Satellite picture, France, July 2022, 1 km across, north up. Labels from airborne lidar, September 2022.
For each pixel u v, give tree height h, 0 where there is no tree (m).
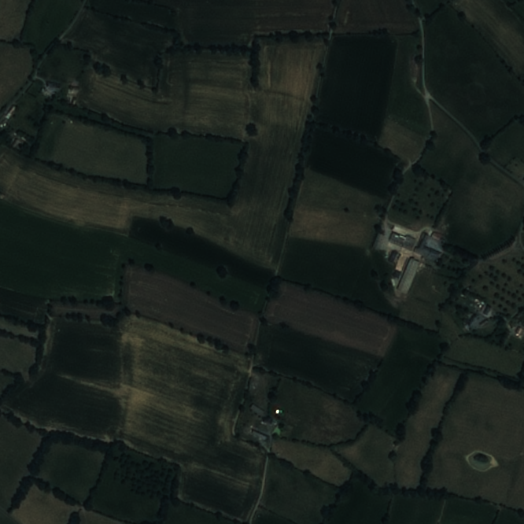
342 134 7
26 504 0
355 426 0
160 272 0
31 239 0
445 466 0
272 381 0
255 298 0
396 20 0
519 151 0
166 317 0
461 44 0
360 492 0
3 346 0
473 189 0
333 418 0
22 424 10
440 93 0
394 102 0
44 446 16
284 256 0
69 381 0
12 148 6
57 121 0
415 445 0
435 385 0
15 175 0
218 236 0
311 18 0
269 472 0
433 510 0
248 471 0
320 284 0
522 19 7
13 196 0
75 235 0
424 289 0
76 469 0
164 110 0
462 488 0
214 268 0
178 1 0
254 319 0
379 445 0
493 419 0
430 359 0
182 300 0
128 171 0
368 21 0
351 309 0
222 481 0
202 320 0
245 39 0
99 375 0
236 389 0
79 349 0
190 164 0
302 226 0
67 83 0
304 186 0
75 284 0
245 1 0
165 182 0
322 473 0
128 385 0
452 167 0
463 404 0
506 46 0
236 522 13
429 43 0
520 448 0
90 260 0
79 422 0
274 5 0
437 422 0
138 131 7
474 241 0
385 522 15
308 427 0
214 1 0
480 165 0
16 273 0
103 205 0
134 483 7
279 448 0
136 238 0
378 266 0
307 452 0
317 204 0
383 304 0
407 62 0
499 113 0
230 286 0
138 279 0
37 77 0
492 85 0
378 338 0
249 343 0
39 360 11
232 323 0
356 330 0
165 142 0
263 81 0
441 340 0
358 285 0
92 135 0
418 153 0
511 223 0
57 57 0
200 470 0
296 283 7
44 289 0
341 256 0
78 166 0
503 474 0
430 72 0
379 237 0
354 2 0
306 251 0
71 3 0
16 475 0
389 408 0
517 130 0
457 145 0
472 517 0
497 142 0
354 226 0
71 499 13
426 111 0
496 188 0
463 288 11
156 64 15
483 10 0
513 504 0
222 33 0
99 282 0
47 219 0
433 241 0
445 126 0
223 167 0
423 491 17
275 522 0
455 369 6
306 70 0
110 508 0
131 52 0
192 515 0
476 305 0
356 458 0
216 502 0
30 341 11
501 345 8
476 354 0
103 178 10
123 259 0
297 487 0
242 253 0
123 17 8
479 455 6
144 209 0
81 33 0
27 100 0
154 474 6
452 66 0
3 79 0
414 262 0
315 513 0
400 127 0
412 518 0
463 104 0
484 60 0
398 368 0
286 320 0
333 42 0
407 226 0
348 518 0
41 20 0
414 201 6
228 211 0
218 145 0
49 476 0
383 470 0
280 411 0
